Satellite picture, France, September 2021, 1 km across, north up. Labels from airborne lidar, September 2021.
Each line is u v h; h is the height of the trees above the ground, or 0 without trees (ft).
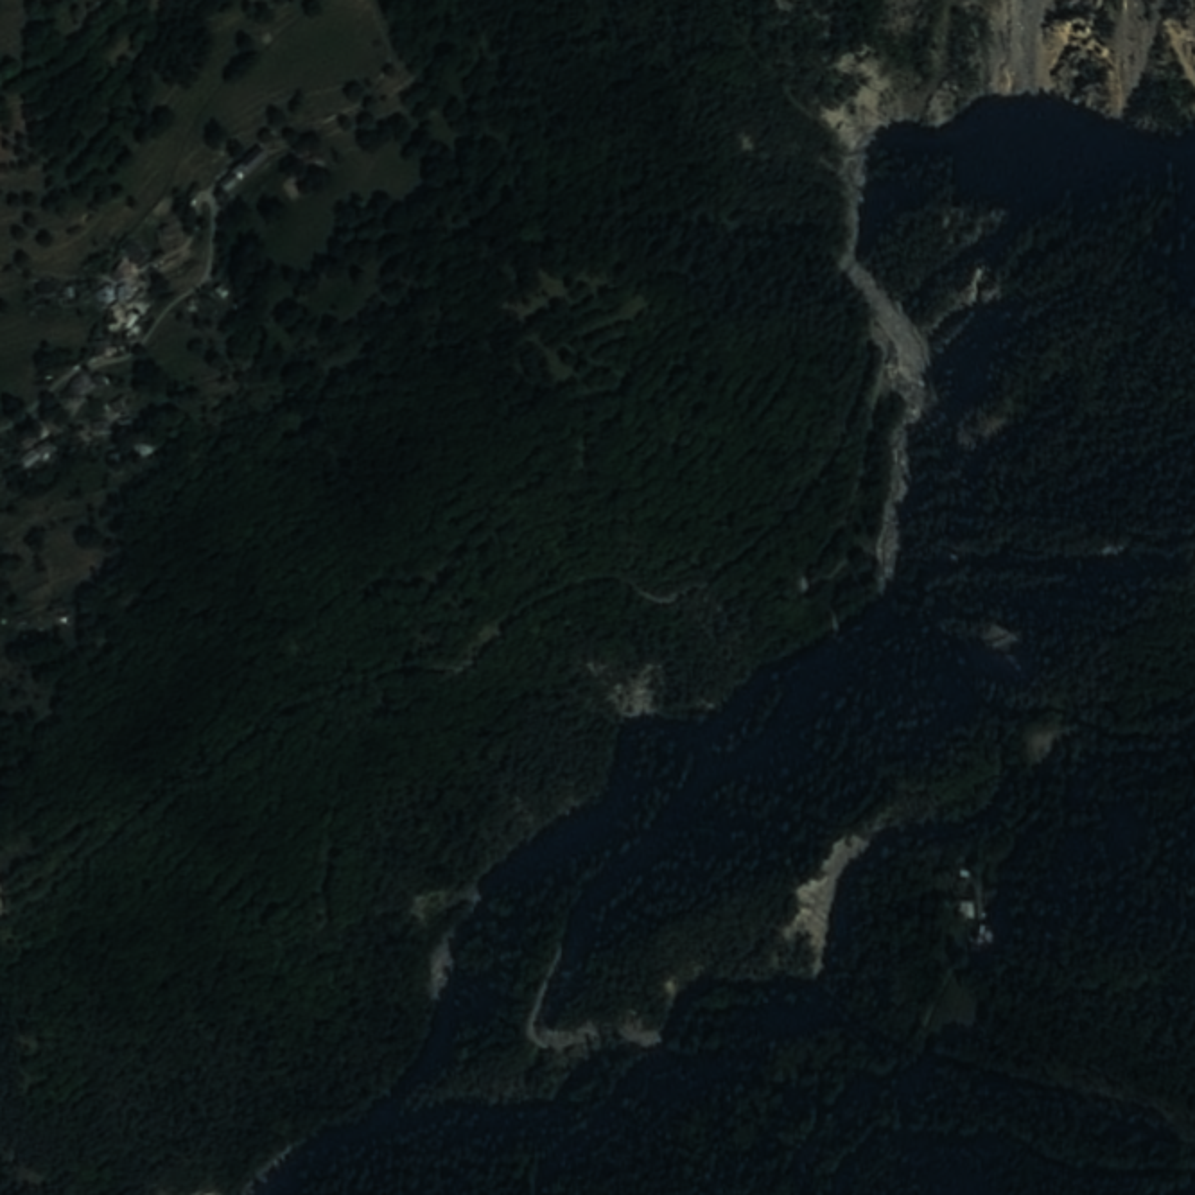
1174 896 30
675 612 25
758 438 52
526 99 72
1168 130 35
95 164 51
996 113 0
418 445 68
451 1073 49
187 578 75
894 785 35
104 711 59
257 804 76
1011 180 35
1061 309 60
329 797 75
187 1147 73
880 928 81
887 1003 53
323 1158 56
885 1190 34
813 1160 26
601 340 45
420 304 72
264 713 58
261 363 52
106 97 62
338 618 68
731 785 53
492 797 42
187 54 71
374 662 62
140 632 59
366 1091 77
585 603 49
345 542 76
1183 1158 57
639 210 57
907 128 0
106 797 66
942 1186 35
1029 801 53
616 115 80
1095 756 33
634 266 61
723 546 47
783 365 63
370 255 52
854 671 39
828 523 66
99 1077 49
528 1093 24
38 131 53
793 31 37
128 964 61
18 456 27
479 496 55
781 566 46
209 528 89
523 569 29
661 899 103
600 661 58
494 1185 95
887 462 51
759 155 39
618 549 38
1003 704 42
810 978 22
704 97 47
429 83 53
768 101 35
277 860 82
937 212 37
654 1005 29
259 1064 54
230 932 64
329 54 0
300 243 0
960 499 45
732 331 78
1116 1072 63
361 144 50
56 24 33
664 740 59
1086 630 61
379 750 87
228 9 43
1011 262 26
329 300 0
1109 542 44
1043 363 54
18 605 39
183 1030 61
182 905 64
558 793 33
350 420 77
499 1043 63
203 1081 70
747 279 74
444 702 71
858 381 41
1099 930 63
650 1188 61
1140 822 29
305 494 66
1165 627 56
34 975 65
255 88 0
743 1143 59
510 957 52
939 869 40
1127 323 64
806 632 54
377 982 78
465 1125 99
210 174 0
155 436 60
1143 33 0
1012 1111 67
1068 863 40
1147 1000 57
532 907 57
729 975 28
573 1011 28
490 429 67
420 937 50
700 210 81
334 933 36
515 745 49
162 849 52
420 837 58
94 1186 45
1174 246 53
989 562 33
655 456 54
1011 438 33
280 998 82
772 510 50
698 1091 35
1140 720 54
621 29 57
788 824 72
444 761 48
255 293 74
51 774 61
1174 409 59
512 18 56
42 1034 52
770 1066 69
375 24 0
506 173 57
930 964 47
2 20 0
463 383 77
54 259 0
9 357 0
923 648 39
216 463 42
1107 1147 73
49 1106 47
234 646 75
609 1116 45
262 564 79
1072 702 28
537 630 59
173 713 98
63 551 0
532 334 61
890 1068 36
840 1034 49
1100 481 39
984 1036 32
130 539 77
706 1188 35
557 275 69
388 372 62
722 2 41
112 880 63
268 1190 0
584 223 43
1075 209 26
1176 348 75
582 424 59
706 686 53
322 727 53
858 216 0
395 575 66
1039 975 68
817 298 105
